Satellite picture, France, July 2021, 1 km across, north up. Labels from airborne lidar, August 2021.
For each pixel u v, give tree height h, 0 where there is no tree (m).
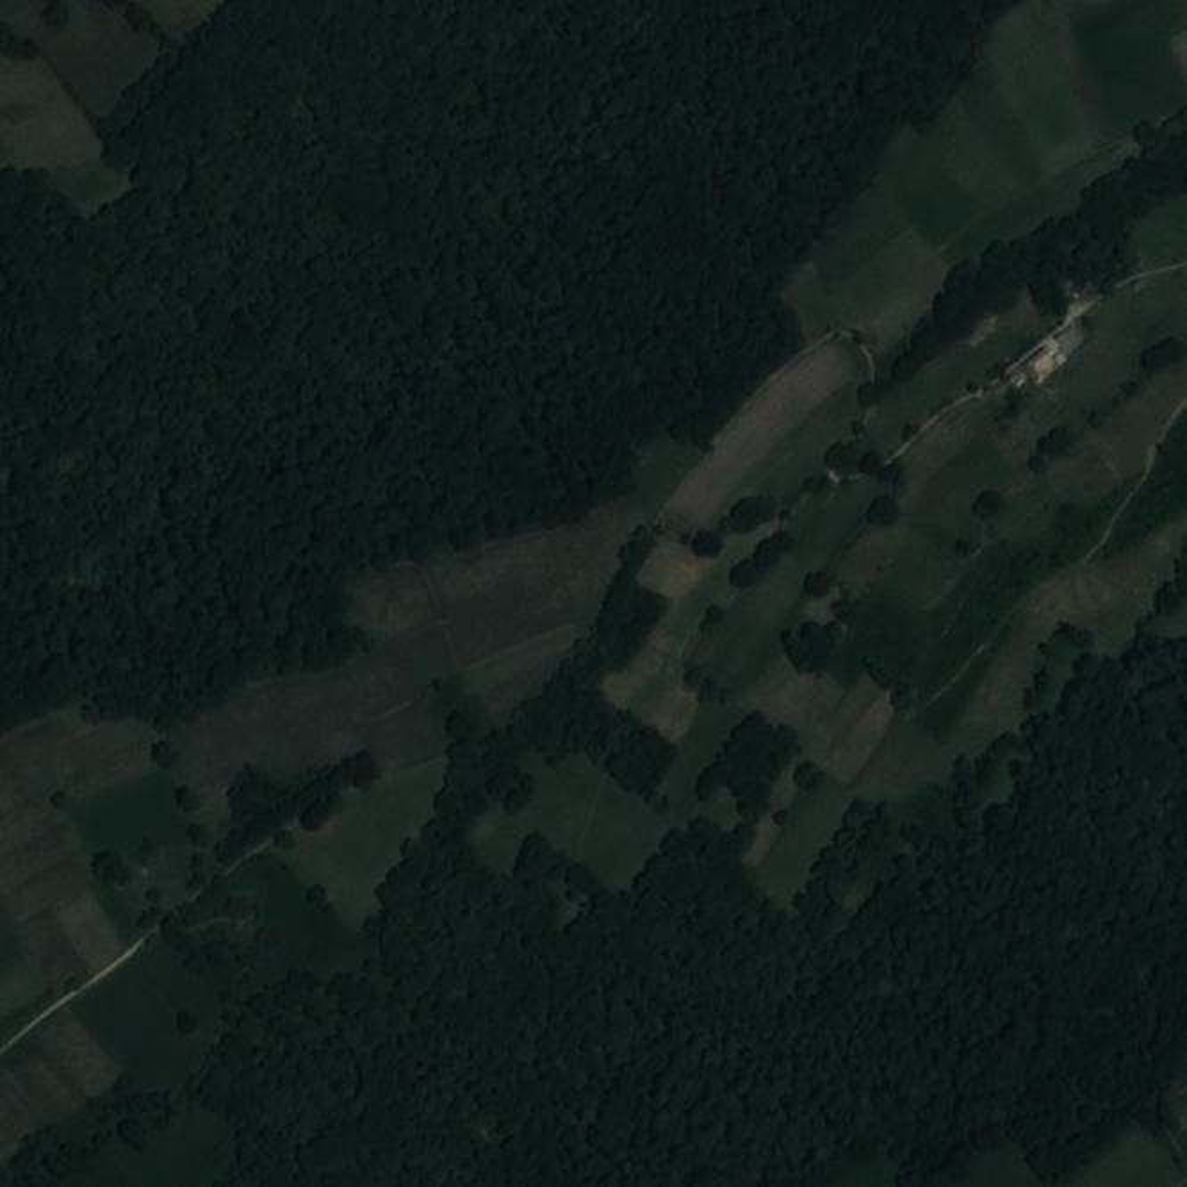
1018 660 0
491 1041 28
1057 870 20
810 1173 23
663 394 26
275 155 33
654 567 0
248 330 29
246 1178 16
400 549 23
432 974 25
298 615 20
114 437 18
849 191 24
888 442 0
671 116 23
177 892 0
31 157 0
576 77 28
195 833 12
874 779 0
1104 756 25
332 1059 23
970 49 17
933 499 0
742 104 23
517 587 0
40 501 23
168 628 24
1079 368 0
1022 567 7
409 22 28
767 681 0
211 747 0
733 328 21
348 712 0
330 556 25
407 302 34
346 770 16
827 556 0
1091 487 0
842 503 0
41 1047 0
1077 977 29
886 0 22
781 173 23
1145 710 24
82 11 0
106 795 0
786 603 0
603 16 26
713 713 0
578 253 27
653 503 0
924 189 0
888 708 0
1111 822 24
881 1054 27
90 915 0
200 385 25
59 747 0
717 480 0
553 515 19
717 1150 24
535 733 20
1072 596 0
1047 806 28
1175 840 22
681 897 34
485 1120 25
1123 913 23
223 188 26
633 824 0
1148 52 0
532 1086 28
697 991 21
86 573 28
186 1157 0
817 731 0
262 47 25
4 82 0
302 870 0
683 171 26
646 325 25
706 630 12
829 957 26
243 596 31
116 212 21
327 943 0
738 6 23
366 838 0
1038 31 0
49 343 25
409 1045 23
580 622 0
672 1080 28
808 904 26
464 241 21
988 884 22
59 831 0
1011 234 0
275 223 29
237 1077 21
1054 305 24
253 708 0
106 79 0
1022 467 0
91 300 23
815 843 0
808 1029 26
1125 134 0
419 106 22
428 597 0
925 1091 28
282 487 29
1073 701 23
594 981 30
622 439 25
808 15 22
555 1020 22
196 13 0
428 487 25
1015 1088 21
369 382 9
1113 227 25
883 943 16
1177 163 22
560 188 26
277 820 10
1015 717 0
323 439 30
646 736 22
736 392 21
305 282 27
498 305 37
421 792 0
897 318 0
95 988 0
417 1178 26
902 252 0
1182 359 22
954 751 0
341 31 21
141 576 16
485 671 0
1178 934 23
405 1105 28
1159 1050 20
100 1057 0
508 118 28
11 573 6
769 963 24
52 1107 0
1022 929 28
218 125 23
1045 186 0
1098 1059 13
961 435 0
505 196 12
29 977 0
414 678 0
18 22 0
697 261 23
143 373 22
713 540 23
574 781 0
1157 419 0
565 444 28
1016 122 0
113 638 8
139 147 20
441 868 21
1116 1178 0
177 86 25
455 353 11
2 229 26
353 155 30
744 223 26
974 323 27
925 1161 15
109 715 18
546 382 16
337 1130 22
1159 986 20
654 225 25
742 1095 27
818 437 0
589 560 0
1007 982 29
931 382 0
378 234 23
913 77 19
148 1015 0
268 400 17
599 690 16
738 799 17
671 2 26
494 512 15
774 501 11
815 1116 24
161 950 0
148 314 22
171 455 21
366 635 16
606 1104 19
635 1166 12
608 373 28
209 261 26
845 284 0
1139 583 0
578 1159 32
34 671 23
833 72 18
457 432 26
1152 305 0
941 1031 28
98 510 16
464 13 24
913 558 0
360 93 28
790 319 23
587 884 24
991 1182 0
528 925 32
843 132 21
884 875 0
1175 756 20
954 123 0
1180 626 0
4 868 0
